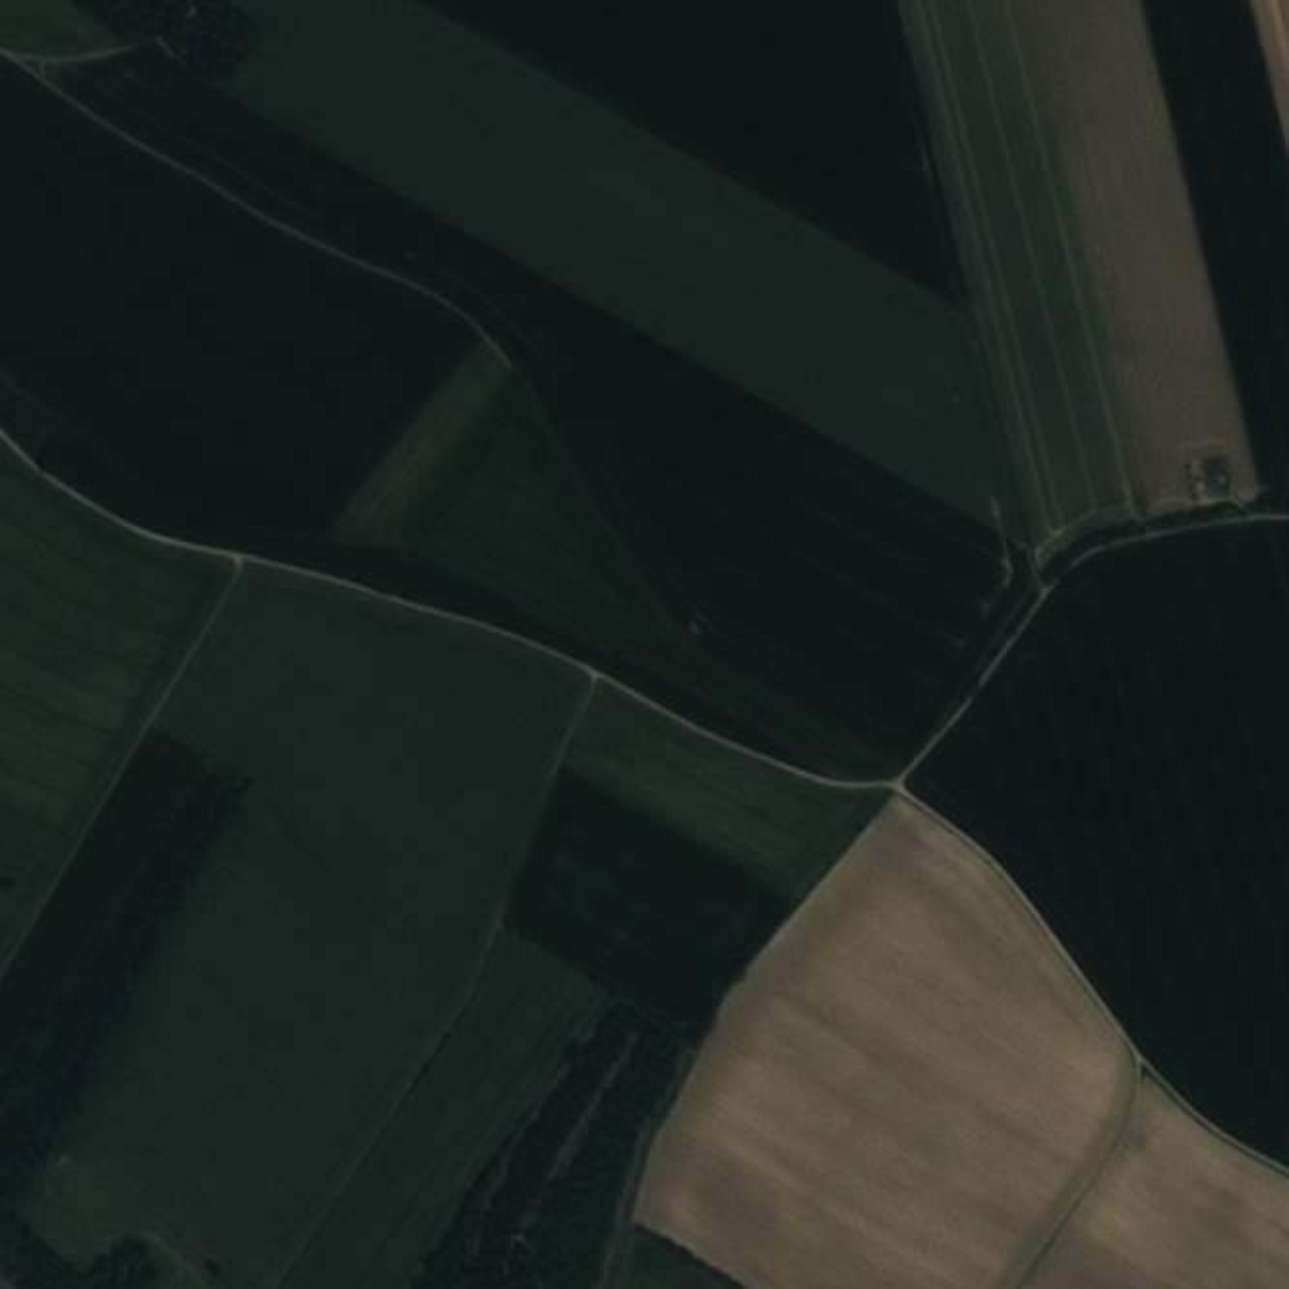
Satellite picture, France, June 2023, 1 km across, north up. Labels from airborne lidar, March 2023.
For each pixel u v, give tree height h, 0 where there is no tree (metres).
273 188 0
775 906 0
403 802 0
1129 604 0
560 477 0
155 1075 0
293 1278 0
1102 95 0
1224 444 0
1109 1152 0
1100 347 0
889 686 0
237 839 0
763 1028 0
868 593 0
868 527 0
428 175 0
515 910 0
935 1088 0
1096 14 0
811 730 0
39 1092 0
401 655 0
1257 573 0
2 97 0
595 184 0
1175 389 0
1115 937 0
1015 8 0
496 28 0
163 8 15
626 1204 10
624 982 0
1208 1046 0
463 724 0
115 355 0
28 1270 9
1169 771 0
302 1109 0
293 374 0
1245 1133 0
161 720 0
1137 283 0
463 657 0
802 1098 0
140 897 0
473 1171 0
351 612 0
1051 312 0
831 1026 0
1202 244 0
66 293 0
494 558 0
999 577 0
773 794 0
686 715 0
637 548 0
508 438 0
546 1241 7
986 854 0
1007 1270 0
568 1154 18
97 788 0
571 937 0
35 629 0
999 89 0
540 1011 0
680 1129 0
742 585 0
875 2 0
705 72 0
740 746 0
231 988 0
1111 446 0
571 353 0
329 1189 0
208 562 0
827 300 0
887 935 0
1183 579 0
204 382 0
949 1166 0
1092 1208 0
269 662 0
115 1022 17
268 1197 0
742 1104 0
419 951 0
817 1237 0
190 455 0
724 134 0
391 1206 0
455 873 0
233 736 0
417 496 0
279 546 0
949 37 0
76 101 0
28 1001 0
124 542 0
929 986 0
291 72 0
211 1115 0
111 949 0
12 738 0
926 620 0
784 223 0
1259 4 0
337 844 0
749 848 0
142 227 0
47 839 0
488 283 0
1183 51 0
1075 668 0
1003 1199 0
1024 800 0
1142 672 0
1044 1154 0
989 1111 0
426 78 0
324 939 0
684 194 0
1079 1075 0
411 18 0
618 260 0
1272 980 0
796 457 0
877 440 0
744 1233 0
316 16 0
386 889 0
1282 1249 0
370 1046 0
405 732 0
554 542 0
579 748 0
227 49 15
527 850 0
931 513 0
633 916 0
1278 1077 0
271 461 0
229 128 0
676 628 0
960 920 0
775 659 0
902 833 0
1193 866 0
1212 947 0
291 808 0
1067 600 0
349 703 0
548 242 0
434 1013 0
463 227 0
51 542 0
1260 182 0
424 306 0
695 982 0
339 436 0
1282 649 0
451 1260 10
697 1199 0
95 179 0
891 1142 0
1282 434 0
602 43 0
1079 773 0
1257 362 0
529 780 0
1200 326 0
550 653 0
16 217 0
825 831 0
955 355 0
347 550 0
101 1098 0
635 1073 8
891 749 0
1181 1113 0
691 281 0
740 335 0
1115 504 0
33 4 0
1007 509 0
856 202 0
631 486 0
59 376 0
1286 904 0
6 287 0
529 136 0
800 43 0
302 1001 0
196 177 0
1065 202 0
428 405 0
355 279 0
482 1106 0
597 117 0
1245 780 0
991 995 0
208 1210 0
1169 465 0
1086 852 0
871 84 0
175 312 0
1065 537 0
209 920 0
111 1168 0
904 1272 0
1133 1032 0
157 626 0
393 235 0
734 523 0
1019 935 0
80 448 0
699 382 0
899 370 0
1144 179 0
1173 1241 0
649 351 0
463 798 0
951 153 0
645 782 0
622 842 0
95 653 0
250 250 0
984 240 0
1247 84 0
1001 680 0
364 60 0
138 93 0
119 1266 19
